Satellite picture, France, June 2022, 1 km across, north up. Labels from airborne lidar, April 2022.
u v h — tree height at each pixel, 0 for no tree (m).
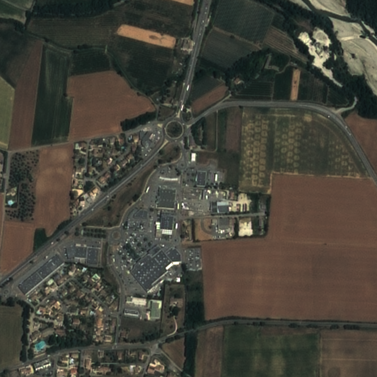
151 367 0
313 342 0
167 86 14
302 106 0
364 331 0
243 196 0
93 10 13
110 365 8
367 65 0
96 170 8
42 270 0
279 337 0
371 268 0
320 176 0
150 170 0
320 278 0
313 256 0
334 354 0
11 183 7
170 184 0
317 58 0
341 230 0
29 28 0
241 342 0
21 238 0
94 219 0
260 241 0
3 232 0
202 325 17
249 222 0
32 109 0
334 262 0
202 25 0
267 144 0
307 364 0
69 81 0
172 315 10
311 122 0
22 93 0
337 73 17
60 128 0
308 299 0
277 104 0
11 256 0
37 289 0
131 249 6
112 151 0
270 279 0
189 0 0
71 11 16
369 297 0
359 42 0
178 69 0
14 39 0
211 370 0
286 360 0
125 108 0
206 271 0
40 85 0
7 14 0
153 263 0
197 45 0
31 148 0
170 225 0
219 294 0
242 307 0
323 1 0
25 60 0
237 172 0
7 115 0
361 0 23
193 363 12
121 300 0
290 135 0
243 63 14
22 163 8
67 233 12
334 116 0
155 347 0
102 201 0
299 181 0
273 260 0
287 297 0
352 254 0
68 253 0
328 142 0
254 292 0
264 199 0
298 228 0
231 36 5
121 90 0
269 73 5
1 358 0
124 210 0
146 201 0
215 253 0
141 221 0
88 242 0
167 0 0
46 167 0
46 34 0
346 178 0
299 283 0
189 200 0
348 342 0
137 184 0
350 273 0
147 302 0
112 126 0
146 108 0
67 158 0
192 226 6
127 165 9
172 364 0
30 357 12
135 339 9
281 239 0
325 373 0
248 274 0
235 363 0
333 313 0
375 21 27
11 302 15
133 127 14
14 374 0
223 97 0
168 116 0
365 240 0
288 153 0
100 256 0
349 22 0
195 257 0
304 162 0
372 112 11
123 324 0
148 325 0
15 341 0
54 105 0
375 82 0
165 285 5
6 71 0
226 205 0
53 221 0
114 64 6
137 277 0
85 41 0
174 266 0
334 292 0
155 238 0
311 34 10
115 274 0
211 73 0
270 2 6
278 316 0
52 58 0
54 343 9
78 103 0
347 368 0
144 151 0
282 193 0
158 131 0
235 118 0
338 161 0
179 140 0
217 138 0
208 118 0
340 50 16
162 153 12
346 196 0
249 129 0
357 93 10
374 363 0
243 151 0
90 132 0
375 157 0
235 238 7
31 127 0
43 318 0
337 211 0
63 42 0
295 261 0
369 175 0
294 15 27
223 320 7
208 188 10
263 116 0
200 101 0
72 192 9
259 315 0
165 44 0
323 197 0
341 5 0
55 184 0
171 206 0
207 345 0
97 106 0
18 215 9
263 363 0
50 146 0
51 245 0
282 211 0
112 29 0
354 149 0
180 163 0
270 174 0
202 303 7
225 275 0
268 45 0
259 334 0
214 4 6
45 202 0
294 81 0
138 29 0
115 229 0
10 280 9
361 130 0
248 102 0
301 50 20
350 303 0
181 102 0
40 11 14
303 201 0
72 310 0
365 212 0
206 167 0
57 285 6
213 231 0
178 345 0
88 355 0
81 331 13
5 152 13
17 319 0
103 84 0
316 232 0
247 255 0
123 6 0
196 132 11
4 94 0
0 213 0
